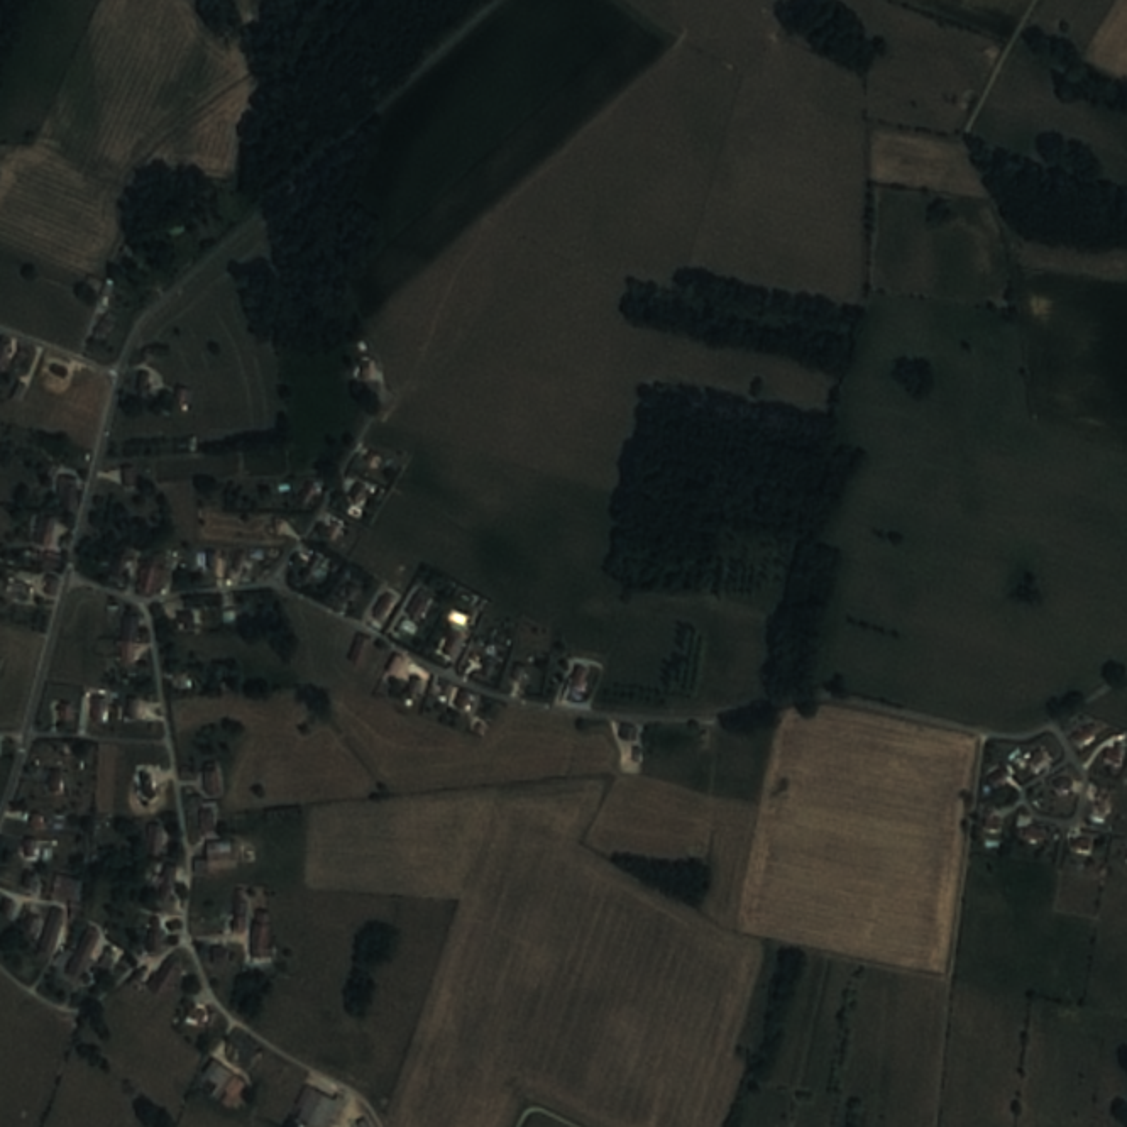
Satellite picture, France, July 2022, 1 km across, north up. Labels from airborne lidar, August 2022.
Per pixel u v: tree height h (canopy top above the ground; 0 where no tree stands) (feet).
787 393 0
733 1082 0
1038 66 0
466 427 0
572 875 0
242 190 38
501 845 0
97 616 0
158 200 49
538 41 0
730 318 56
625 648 0
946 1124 0
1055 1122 0
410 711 0
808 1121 0
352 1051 0
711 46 0
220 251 0
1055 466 0
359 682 0
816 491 71
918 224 0
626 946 0
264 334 59
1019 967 0
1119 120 0
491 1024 0
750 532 44
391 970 0
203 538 0
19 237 0
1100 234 66
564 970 0
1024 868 0
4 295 0
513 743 0
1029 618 0
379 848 0
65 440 39
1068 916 0
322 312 95
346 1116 0
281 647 96
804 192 0
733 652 0
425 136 0
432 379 0
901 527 0
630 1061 0
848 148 0
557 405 0
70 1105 0
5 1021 0
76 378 0
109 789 0
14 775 0
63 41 0
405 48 60
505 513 0
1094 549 0
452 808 0
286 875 0
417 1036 0
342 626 0
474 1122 0
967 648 0
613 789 0
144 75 0
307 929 0
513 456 0
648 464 69
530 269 0
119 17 0
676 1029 0
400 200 0
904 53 0
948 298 0
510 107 0
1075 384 0
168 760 0
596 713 0
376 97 65
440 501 0
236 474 0
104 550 31
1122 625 0
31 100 0
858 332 51
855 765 0
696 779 0
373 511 26
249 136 51
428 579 28
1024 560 0
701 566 37
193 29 0
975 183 0
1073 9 0
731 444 63
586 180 0
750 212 0
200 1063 0
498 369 0
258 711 0
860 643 0
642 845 0
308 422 0
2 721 0
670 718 0
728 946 0
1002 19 0
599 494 0
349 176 73
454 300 0
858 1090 0
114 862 37
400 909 0
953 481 0
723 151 0
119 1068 0
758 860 0
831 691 55
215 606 22
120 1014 0
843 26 60
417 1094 0
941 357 0
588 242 0
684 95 0
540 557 0
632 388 0
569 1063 0
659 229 0
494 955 0
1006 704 0
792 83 0
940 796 0
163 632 26
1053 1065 0
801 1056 0
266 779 0
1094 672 0
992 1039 0
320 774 0
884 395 0
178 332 26
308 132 56
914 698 0
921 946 0
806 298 47
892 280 0
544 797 0
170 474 0
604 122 0
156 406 36
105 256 0
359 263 71
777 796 0
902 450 0
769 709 64
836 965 0
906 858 0
